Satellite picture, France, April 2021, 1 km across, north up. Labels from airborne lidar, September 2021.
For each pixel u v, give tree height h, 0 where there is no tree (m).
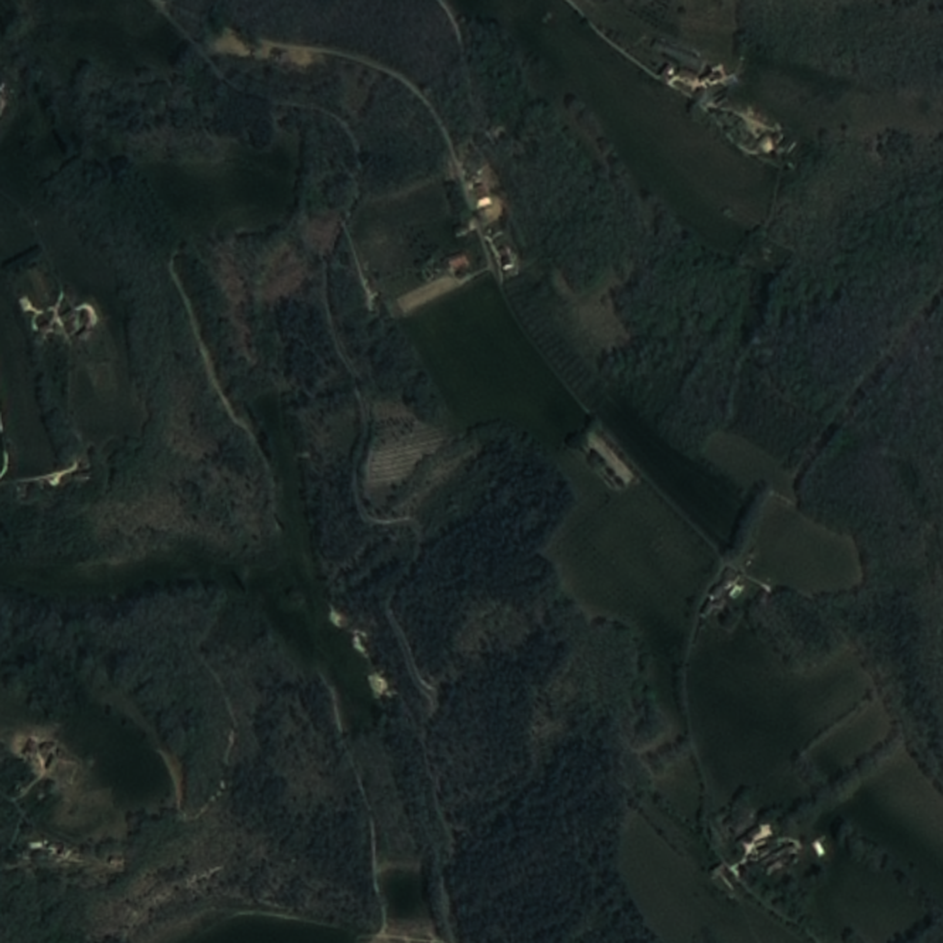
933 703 11
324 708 21
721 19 0
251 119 19
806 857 0
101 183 15
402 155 16
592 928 6
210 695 18
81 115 16
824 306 26
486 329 0
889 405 16
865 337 19
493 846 18
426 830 18
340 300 22
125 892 9
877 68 20
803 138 0
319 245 0
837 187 15
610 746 13
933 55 18
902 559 13
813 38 22
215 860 11
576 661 15
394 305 0
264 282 15
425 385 17
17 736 0
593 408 0
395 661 13
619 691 22
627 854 0
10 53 13
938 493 16
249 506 10
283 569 0
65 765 0
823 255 22
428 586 10
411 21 10
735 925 0
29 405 0
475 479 8
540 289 10
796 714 0
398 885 0
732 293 19
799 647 20
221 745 14
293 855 7
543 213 23
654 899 0
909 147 12
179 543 6
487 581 11
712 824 9
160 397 16
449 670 16
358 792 13
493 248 8
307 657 0
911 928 0
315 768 6
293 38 18
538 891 14
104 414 0
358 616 13
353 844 15
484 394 0
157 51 0
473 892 16
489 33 17
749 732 0
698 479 0
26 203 0
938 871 0
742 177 0
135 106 13
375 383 10
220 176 0
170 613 25
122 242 14
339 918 7
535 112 23
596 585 0
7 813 6
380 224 0
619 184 21
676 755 17
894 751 12
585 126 20
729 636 0
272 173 0
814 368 25
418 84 9
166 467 19
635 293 21
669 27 0
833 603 17
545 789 9
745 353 18
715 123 13
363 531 13
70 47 0
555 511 14
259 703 12
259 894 11
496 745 9
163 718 20
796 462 9
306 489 8
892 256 21
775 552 0
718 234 0
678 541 0
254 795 14
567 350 7
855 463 17
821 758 0
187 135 20
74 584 0
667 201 0
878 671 15
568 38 0
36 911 27
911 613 13
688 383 16
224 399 8
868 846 14
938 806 0
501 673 8
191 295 7
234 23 16
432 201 0
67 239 0
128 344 12
